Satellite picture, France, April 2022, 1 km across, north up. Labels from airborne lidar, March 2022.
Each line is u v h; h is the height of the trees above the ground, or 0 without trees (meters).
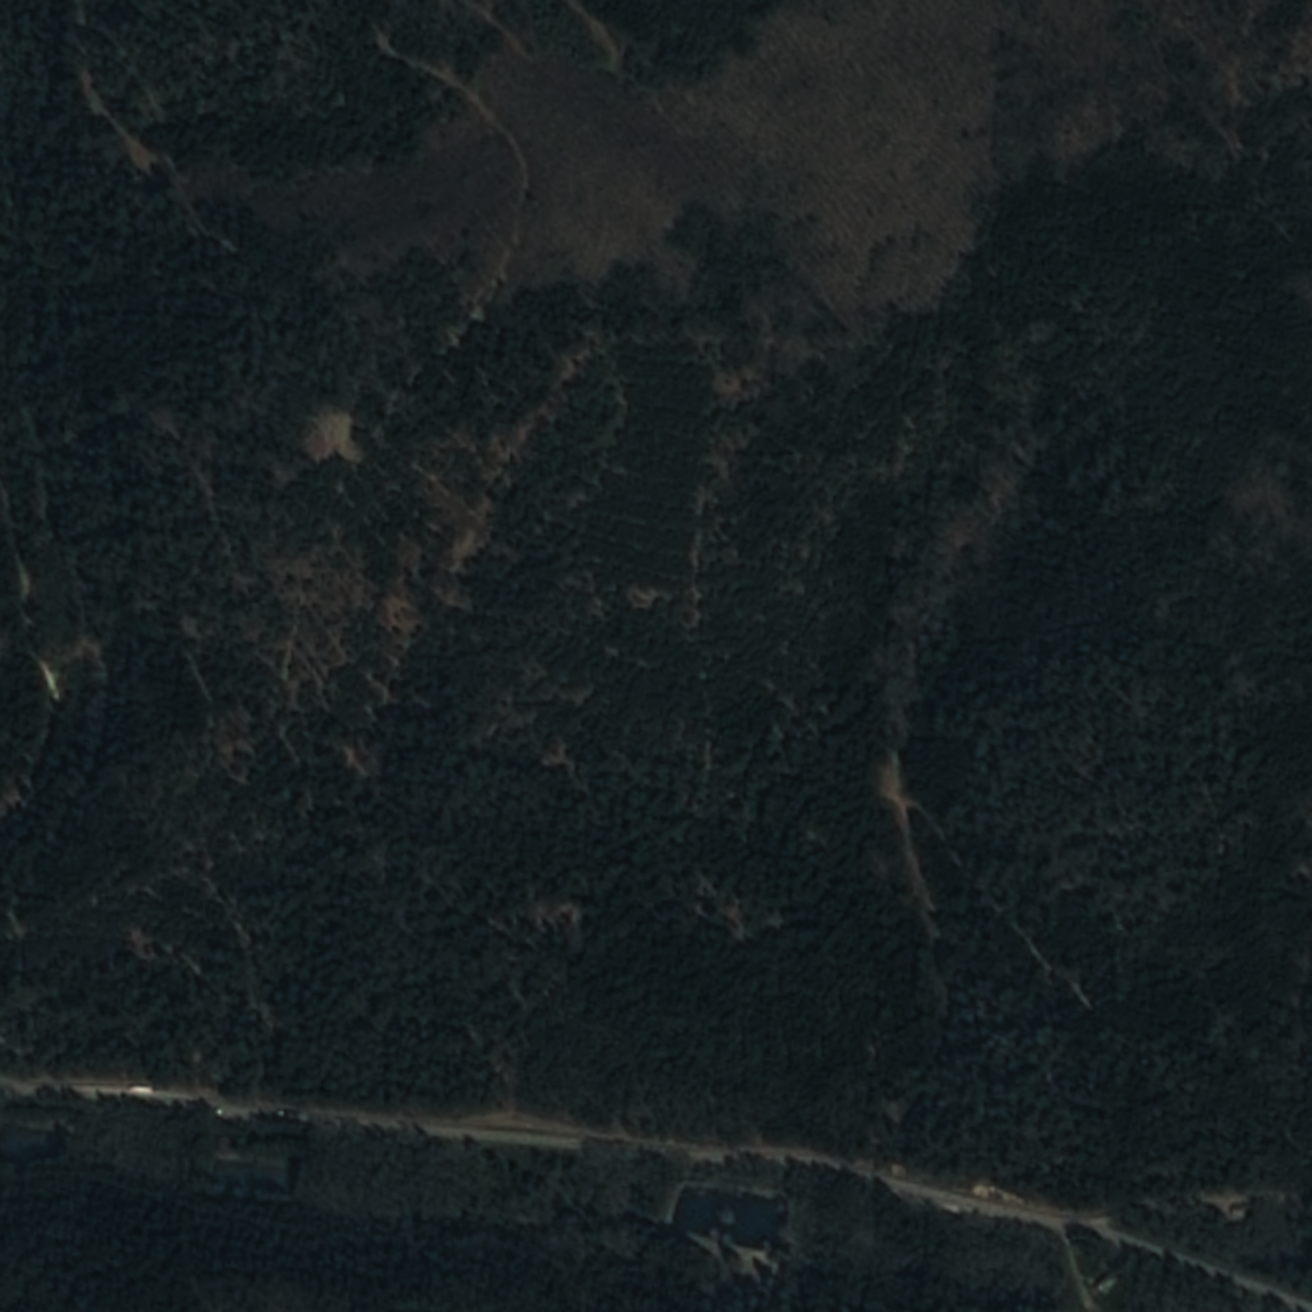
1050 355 13
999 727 28
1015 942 17
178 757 12
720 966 23
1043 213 8
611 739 9
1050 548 18
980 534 11
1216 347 9
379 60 12
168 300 11
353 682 13
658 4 15
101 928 11
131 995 25
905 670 29
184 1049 26
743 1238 0
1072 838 28
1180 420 11
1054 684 28
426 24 18
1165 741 9
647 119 14
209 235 8
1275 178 13
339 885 27
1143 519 10
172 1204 20
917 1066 12
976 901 13
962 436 9
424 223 10
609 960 17
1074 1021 17
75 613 7
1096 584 11
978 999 29
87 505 33
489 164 11
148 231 31
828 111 13
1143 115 12
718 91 13
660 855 21
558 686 6
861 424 9
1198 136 13
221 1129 16
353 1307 20
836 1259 17
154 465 23
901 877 25
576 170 14
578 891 27
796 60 12
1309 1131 15
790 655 7
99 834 12
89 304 12
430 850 22
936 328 15
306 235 9
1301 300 13
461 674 11
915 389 10
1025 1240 20
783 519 9
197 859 7
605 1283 25
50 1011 8
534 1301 19
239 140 12
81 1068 27
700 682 8
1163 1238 19
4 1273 17
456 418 8
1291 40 11
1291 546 13
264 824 10
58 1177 24
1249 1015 21
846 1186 24
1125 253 10
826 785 21
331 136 13
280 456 8
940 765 15
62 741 23
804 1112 20
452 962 27
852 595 9
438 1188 26
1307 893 18
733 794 9
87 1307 23
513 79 18
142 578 12
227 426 18
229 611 7
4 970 9
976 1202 0
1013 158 14
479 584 11
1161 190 11
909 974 20
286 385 16
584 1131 16
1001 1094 24
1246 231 12
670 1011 19
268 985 6
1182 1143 9
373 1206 24
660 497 5
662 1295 13
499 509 23
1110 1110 11
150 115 31
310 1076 20
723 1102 18
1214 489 12
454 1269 24
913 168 11
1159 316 8
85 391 14
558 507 6
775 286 13
